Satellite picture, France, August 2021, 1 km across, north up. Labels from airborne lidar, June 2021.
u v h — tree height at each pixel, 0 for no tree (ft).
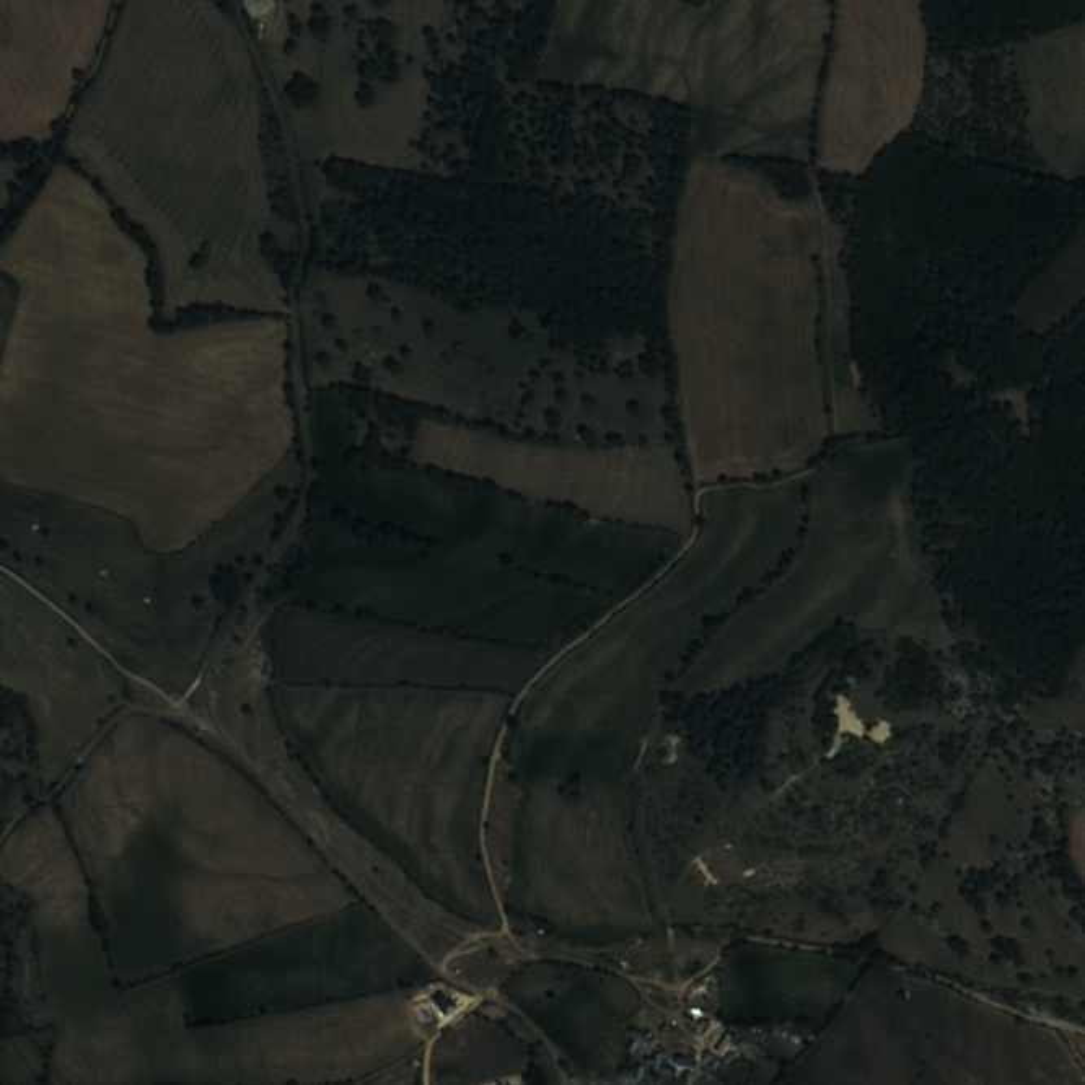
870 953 32
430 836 0
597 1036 0
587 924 0
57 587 0
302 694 0
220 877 0
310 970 0
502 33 43
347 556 0
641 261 32
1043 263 35
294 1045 0
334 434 0
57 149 29
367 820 0
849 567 0
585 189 31
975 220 46
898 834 0
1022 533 40
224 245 0
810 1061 0
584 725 0
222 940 0
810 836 0
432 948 0
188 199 0
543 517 0
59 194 0
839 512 0
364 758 0
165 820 0
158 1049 0
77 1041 0
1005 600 39
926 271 41
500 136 44
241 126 0
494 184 46
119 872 0
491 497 38
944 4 39
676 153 31
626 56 0
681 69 0
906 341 49
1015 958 33
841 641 30
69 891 0
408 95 0
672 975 0
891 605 0
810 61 0
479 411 0
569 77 0
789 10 0
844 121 0
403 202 39
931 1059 0
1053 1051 0
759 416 0
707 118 0
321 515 19
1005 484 40
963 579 46
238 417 0
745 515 0
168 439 0
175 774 0
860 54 0
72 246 0
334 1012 0
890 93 0
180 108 0
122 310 0
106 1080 0
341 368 0
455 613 0
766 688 28
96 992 0
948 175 46
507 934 0
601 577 0
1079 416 50
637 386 0
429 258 36
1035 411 20
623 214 25
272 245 39
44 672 0
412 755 0
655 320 35
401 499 0
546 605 0
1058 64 0
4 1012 33
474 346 0
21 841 0
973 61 20
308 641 0
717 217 0
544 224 53
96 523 0
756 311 0
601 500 0
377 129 0
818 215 0
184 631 0
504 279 43
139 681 0
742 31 0
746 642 0
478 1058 0
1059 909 0
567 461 0
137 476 0
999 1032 0
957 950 35
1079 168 0
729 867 0
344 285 0
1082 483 45
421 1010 0
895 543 0
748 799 0
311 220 29
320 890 0
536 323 0
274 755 0
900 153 41
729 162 22
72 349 0
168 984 0
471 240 32
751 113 0
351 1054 0
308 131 0
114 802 0
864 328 48
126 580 0
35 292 0
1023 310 0
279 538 28
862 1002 0
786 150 0
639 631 0
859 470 0
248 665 0
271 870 0
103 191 39
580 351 18
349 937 0
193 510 0
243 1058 0
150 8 0
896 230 22
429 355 0
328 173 30
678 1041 0
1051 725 0
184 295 0
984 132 24
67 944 0
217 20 0
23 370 0
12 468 0
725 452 0
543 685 0
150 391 0
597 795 0
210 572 0
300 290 20
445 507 0
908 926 0
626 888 0
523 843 0
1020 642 38
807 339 0
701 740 28
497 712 0
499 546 0
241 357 0
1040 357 36
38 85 0
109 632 0
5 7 0
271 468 0
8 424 0
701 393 0
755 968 0
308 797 0
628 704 0
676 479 0
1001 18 41
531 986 0
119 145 0
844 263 20
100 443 0
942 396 63
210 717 0
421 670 0
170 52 0
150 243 36
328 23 28
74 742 0
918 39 0
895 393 42
